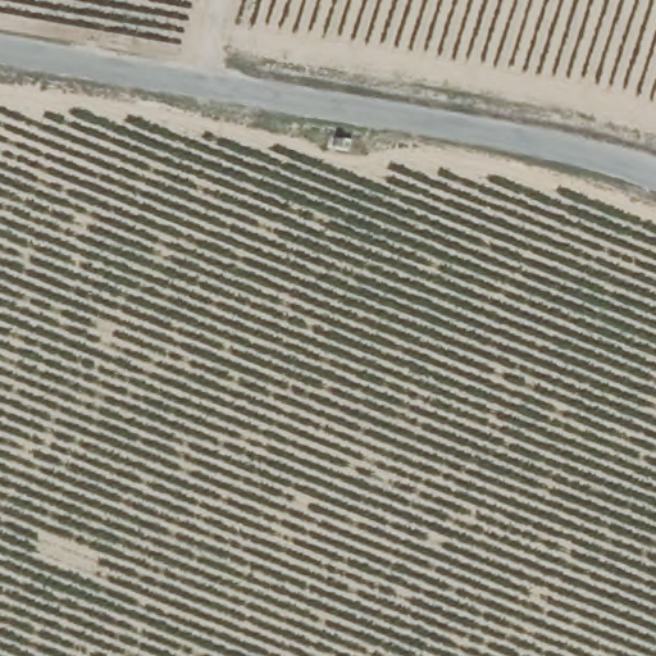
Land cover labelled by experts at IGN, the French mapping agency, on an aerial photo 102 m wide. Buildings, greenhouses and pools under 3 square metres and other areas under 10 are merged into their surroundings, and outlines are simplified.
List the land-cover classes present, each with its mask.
<instances>
[{"label":"vineyard","instance_id":"1","mask_svg":"<svg viewBox=\"0 0 656 656\"><path fill-rule=\"evenodd\" d=\"M195 0H0V36L77 46L79 54L161 67V59H174L182 51L177 44H182L187 15ZM259 10H267V23H272V15H279V28L287 23V15L295 18L292 33L313 28L328 33L331 21H338V36L343 33V28H351V38H356L359 28H366L364 44L372 41L374 26H382L379 41H387L390 26H397L395 46L400 49L428 51L431 41H438V54L443 59H459V49H466V59L472 56L482 62L489 51H495V67L500 64L502 51H510L507 67H513L515 59H523V72H528L530 67H536V74L559 77H584L587 72H595V82L602 79L605 69L610 72V85H615V77H623V87L633 90L636 95L643 92V85H651L648 100L656 97V0H238V26H256ZM0 656H656V223L625 213L615 205H607L602 200H592L569 187H559L551 195H546L541 190L525 187L500 174H489L482 182H474L451 169H438L433 179L405 164H390L387 179L374 182L279 144L267 146L261 151L210 131H205L197 138H190L138 115H128L120 123H115L85 108H72L64 113L49 110L36 120L13 108L0 105Z\"/></svg>","mask_w":656,"mask_h":656},{"label":"herbaceous vegetation","instance_id":"2","mask_svg":"<svg viewBox=\"0 0 656 656\"><path fill-rule=\"evenodd\" d=\"M226 67L238 69L243 74L313 90L346 92L387 103H405L477 118L507 120L656 156V136L618 123L597 126L595 115L561 105H533L505 100L489 92H469L448 85L407 82L397 72L390 79H372L361 74H349L336 67H302L267 56L249 59L238 54L233 46H223ZM0 85H38L41 90L85 92L113 100H154L179 110L197 113L202 118L238 123L246 128H261L269 133L297 136L325 151L331 146L336 154L346 156H364L372 151H382L387 146L464 149L520 161L528 167L551 169L559 174H571L628 192L633 182L628 179L487 144L251 110L241 103H197L195 97L185 95L0 64Z\"/></svg>","mask_w":656,"mask_h":656},{"label":"plowed land","instance_id":"3","mask_svg":"<svg viewBox=\"0 0 656 656\"><path fill-rule=\"evenodd\" d=\"M238 0H195L187 15L182 44H177L182 51L174 59H161V67L218 74L231 79H241L243 74L238 69L226 67L223 46H233L238 54L249 59L267 56L302 67H336L349 74H361L372 79H390L397 72L407 82L448 85L469 92H489L505 100L533 105H561L595 115L597 126L618 123L656 136V97L648 100L651 85H643V92L636 95L633 90L623 87V77H615V85H610V72L605 69L602 79L595 82V72H587L584 77H559L536 74V67H530L528 72H523V59H515L513 67H507L510 51H502L500 64L495 67V51H489L482 62L472 56L466 59V49H459V59H443L438 54V41H431L428 51L400 49L395 46L397 26H390L387 41H379L382 26H374L372 41L364 44L366 28H359L356 38H351V28H343V33L338 36V21H331L328 33L313 28L292 33L295 18L287 15V23L279 28V15H272V23H267V10H259L256 26H238Z\"/></svg>","mask_w":656,"mask_h":656},{"label":"impervious surface","instance_id":"4","mask_svg":"<svg viewBox=\"0 0 656 656\"><path fill-rule=\"evenodd\" d=\"M0 64L185 95L195 97L197 103H241L251 110L487 144L628 179L633 182L628 192L636 202L656 205V156L507 120L477 118L405 103H387L346 92L313 90L243 74L241 79H231L218 74L161 67L79 54L77 46L0 36Z\"/></svg>","mask_w":656,"mask_h":656},{"label":"pervious surface","instance_id":"5","mask_svg":"<svg viewBox=\"0 0 656 656\"><path fill-rule=\"evenodd\" d=\"M0 105L13 108L36 120L49 110L64 113L72 108H85L115 123H120L128 115H138L190 138H197L205 131H210L261 151L267 146L279 144L374 182L387 179L390 164H405L433 179L438 169H451L474 182H482L489 174H500L525 187L541 190L546 195H551L559 187H569L592 200H602L607 205H615L625 213L656 223V205L636 202L628 192L571 174H559L551 169L528 167L520 161L464 149L387 146L382 151H372L364 156H346L336 154L331 146L325 151L297 136L269 133L261 128H246L238 123L202 118L197 113L179 110L154 100H113L85 92L41 90L38 85H0Z\"/></svg>","mask_w":656,"mask_h":656}]
</instances>
